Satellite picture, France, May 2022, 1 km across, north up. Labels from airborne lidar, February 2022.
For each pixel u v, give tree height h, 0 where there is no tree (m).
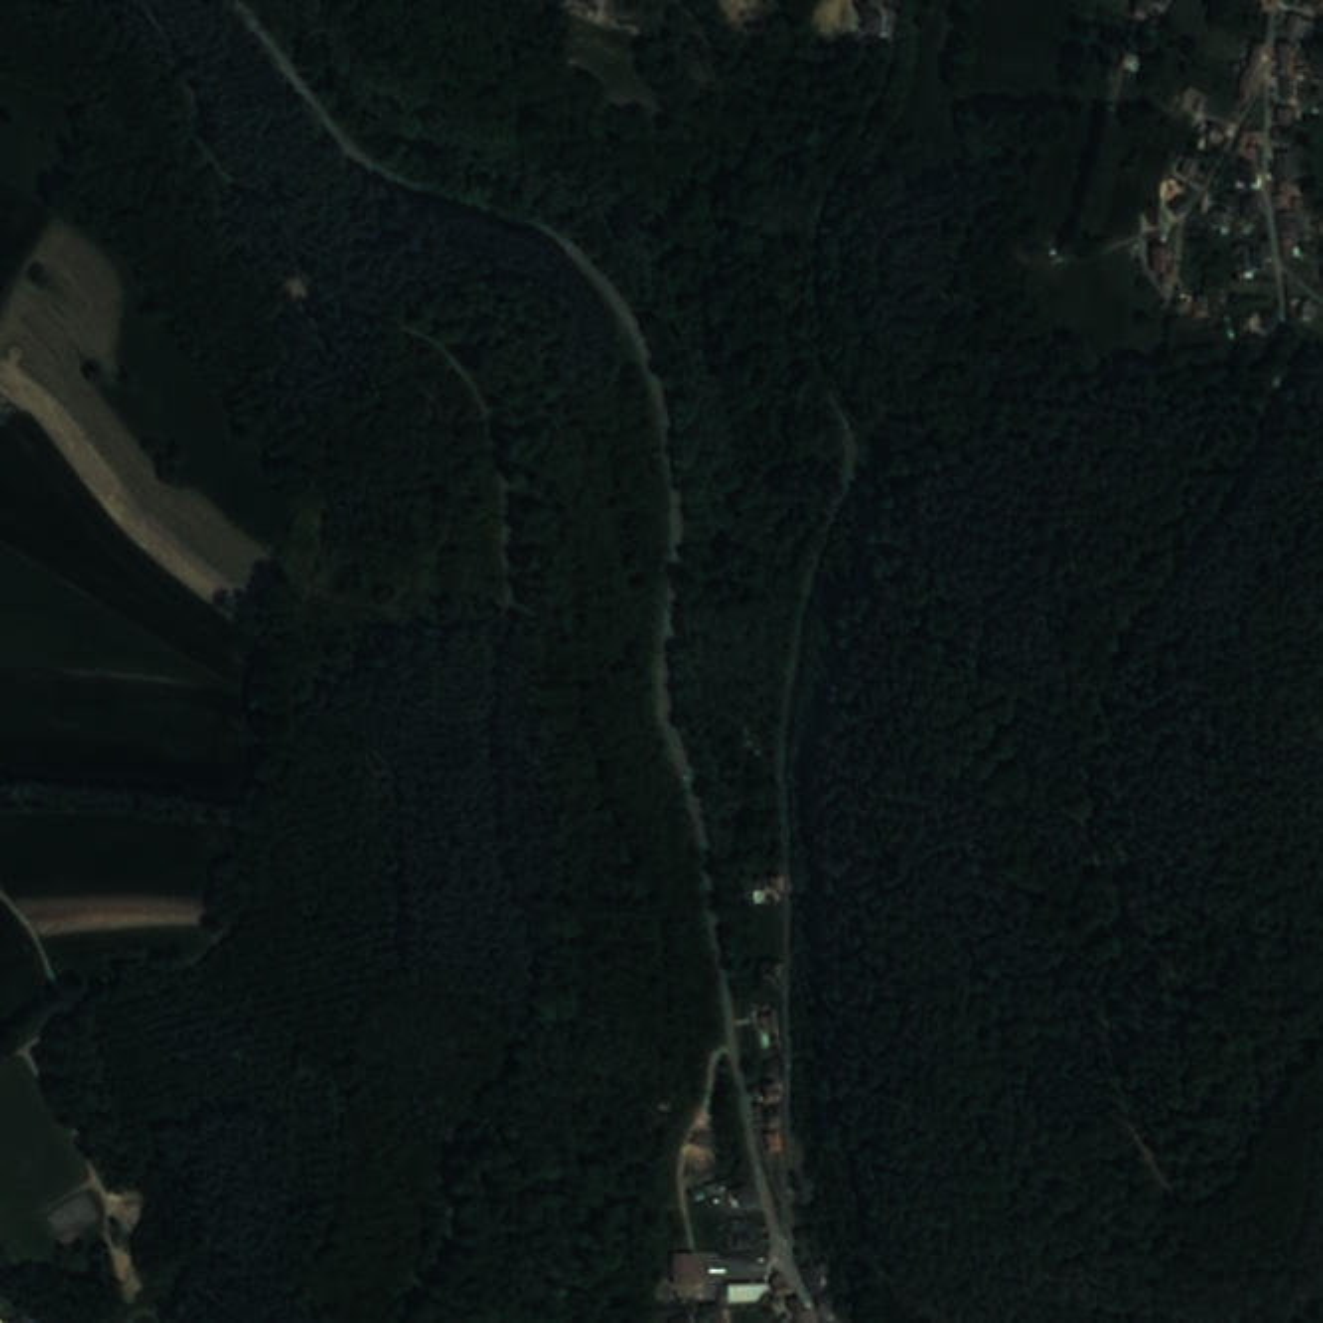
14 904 0
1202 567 26
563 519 11
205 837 0
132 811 14
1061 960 13
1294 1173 19
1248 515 23
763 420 23
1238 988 22
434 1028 16
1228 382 18
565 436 14
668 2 0
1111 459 27
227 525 0
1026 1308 32
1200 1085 24
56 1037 20
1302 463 27
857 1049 34
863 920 34
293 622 25
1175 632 23
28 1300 16
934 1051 34
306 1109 7
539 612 22
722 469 22
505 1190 32
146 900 0
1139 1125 10
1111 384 26
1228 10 19
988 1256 26
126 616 0
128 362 0
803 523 20
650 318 26
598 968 16
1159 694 21
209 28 32
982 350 24
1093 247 13
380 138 24
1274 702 23
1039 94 0
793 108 25
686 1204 0
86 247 0
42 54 13
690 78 20
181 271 19
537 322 26
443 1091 18
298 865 9
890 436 35
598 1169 36
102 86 12
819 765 36
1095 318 0
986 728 24
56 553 0
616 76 0
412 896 24
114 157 11
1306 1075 17
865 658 32
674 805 12
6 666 0
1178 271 0
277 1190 28
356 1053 18
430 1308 29
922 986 36
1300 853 22
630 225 27
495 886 34
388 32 26
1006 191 21
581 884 9
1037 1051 27
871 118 16
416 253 29
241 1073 10
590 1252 36
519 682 18
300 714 24
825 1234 6
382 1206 12
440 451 8
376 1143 12
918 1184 33
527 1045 27
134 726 0
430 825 21
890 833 35
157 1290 0
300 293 0
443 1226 8
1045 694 22
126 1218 0
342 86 21
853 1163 32
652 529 14
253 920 6
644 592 14
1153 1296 22
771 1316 0
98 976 0
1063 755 25
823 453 9
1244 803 24
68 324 0
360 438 12
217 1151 27
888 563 35
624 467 17
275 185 28
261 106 31
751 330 22
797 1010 7
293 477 28
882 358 15
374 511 9
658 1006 15
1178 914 18
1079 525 31
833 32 0
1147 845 31
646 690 16
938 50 0
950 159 0
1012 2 0
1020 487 32
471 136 29
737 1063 0
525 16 15
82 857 0
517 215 19
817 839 35
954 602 28
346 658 15
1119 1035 6
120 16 25
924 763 30
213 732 0
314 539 0
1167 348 7
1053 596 31
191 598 0
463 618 12
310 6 28
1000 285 19
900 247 24
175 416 0
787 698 0
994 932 31
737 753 16
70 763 0
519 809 34
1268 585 21
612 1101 15
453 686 29
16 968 0
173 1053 12
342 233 32
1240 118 0
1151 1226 26
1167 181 0
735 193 25
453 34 24
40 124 0
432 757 21
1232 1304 14
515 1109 27
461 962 22
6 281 0
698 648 25
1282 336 15
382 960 8
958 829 29
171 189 17
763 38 23
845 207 17
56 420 0
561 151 19
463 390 7
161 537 0
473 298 34
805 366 20
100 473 0
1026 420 32
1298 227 0
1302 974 28
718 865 22
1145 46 16
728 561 29
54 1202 0
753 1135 0
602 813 12
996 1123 29
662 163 25
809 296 9
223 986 8
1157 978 23
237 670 0
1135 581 25
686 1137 0
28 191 0
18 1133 0
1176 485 26
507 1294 31
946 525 30
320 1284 13
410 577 0
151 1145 9
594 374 25
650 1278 24
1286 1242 17
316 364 25
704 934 16
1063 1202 31
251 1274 23
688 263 17
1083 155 0
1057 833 27
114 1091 9
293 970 9
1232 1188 15
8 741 0
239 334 22
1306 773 27
